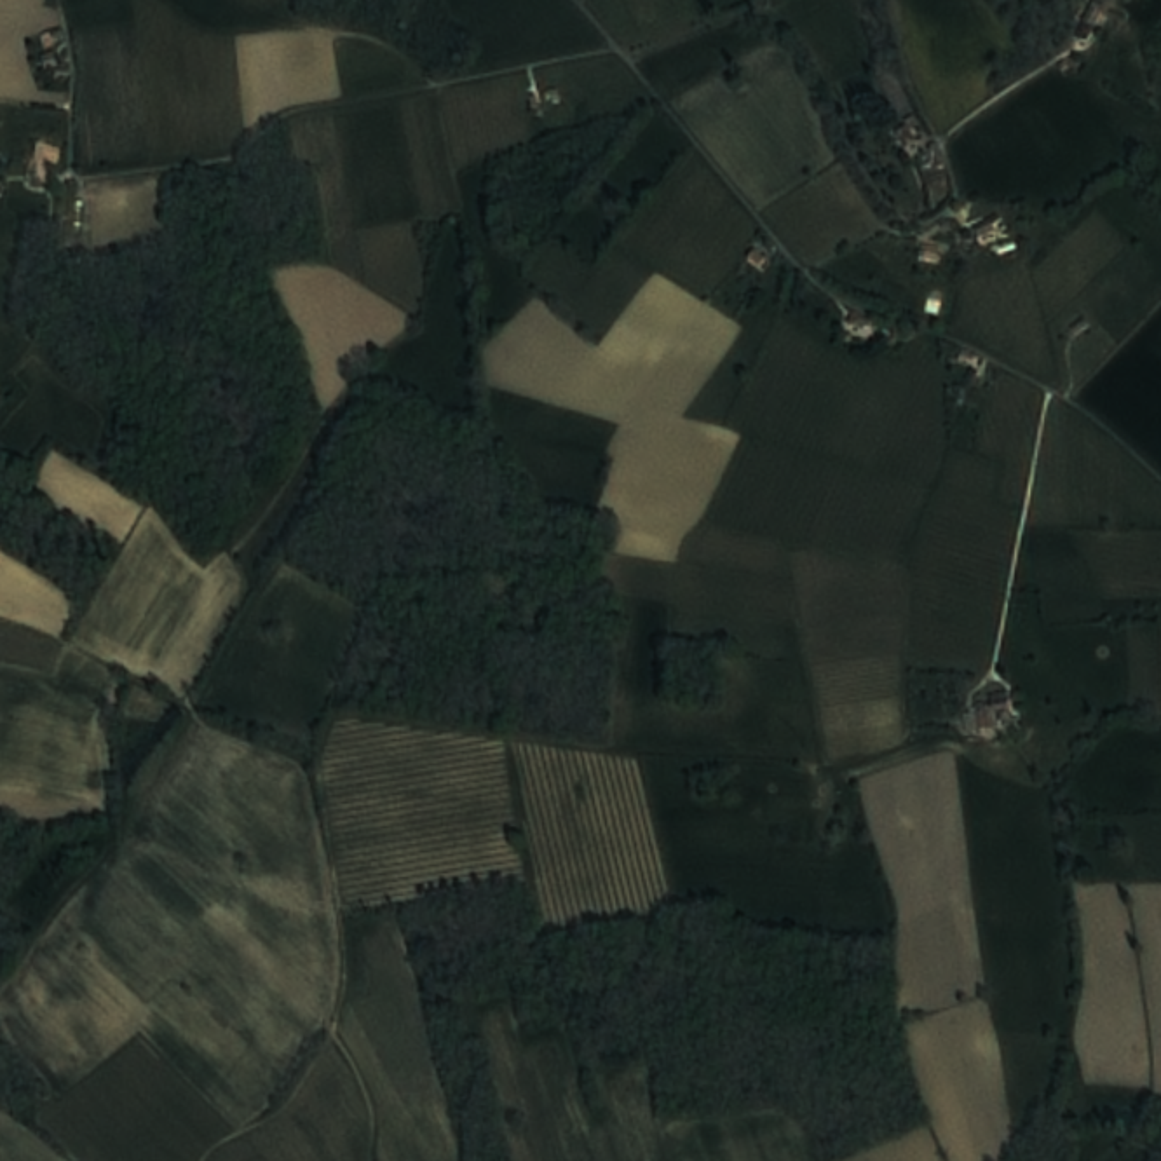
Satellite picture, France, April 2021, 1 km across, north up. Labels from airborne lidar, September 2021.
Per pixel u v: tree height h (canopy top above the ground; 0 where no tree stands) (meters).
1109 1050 0
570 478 0
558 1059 0
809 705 0
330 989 0
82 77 0
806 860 0
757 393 0
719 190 0
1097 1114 0
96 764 0
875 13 14
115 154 0
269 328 28
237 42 0
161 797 0
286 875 0
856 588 0
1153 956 0
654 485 0
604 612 21
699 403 0
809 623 0
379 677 14
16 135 0
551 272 0
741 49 0
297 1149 0
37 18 0
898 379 0
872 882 0
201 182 14
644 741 0
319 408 17
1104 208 0
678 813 0
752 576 0
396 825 0
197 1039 0
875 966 26
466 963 14
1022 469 0
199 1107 0
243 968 0
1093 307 0
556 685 20
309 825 0
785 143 0
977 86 0
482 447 22
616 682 16
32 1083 17
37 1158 0
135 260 20
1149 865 0
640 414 0
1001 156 0
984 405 0
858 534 0
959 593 0
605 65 0
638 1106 0
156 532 0
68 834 17
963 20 0
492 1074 14
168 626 0
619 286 0
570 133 9
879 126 14
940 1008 0
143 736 7
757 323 0
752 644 0
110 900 0
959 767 0
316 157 0
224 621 0
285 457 22
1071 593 0
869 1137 15
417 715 14
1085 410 0
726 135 0
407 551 19
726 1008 18
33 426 0
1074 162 0
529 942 20
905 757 0
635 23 0
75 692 0
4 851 13
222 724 14
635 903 0
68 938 0
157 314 24
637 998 16
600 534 21
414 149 0
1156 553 0
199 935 0
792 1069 18
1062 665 0
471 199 0
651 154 0
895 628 0
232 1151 0
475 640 25
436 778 0
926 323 7
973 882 0
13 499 18
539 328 0
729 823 0
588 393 0
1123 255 0
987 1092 0
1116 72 0
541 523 21
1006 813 0
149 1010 0
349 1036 0
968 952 0
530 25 0
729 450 0
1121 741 0
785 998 20
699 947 23
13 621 0
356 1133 0
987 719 0
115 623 0
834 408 0
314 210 22
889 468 0
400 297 0
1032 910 0
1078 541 0
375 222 0
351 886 0
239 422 14
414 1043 0
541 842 0
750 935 21
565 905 0
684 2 0
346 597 15
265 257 25
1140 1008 0
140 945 0
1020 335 0
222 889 0
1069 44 19
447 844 0
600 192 15
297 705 0
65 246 15
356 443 21
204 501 24
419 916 14
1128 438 0
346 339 0
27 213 0
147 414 23
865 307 18
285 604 0
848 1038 26
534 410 0
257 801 0
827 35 0
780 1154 0
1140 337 0
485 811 0
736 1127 0
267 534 7
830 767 0
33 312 21
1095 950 0
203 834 0
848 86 0
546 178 7
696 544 0
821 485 0
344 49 0
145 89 0
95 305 25
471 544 22
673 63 0
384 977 0
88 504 0
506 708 19
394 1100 0
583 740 19
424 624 21
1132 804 0
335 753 0
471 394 22
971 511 0
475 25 0
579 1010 21
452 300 0
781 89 0
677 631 0
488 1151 19
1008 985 0
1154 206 17
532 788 0
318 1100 0
